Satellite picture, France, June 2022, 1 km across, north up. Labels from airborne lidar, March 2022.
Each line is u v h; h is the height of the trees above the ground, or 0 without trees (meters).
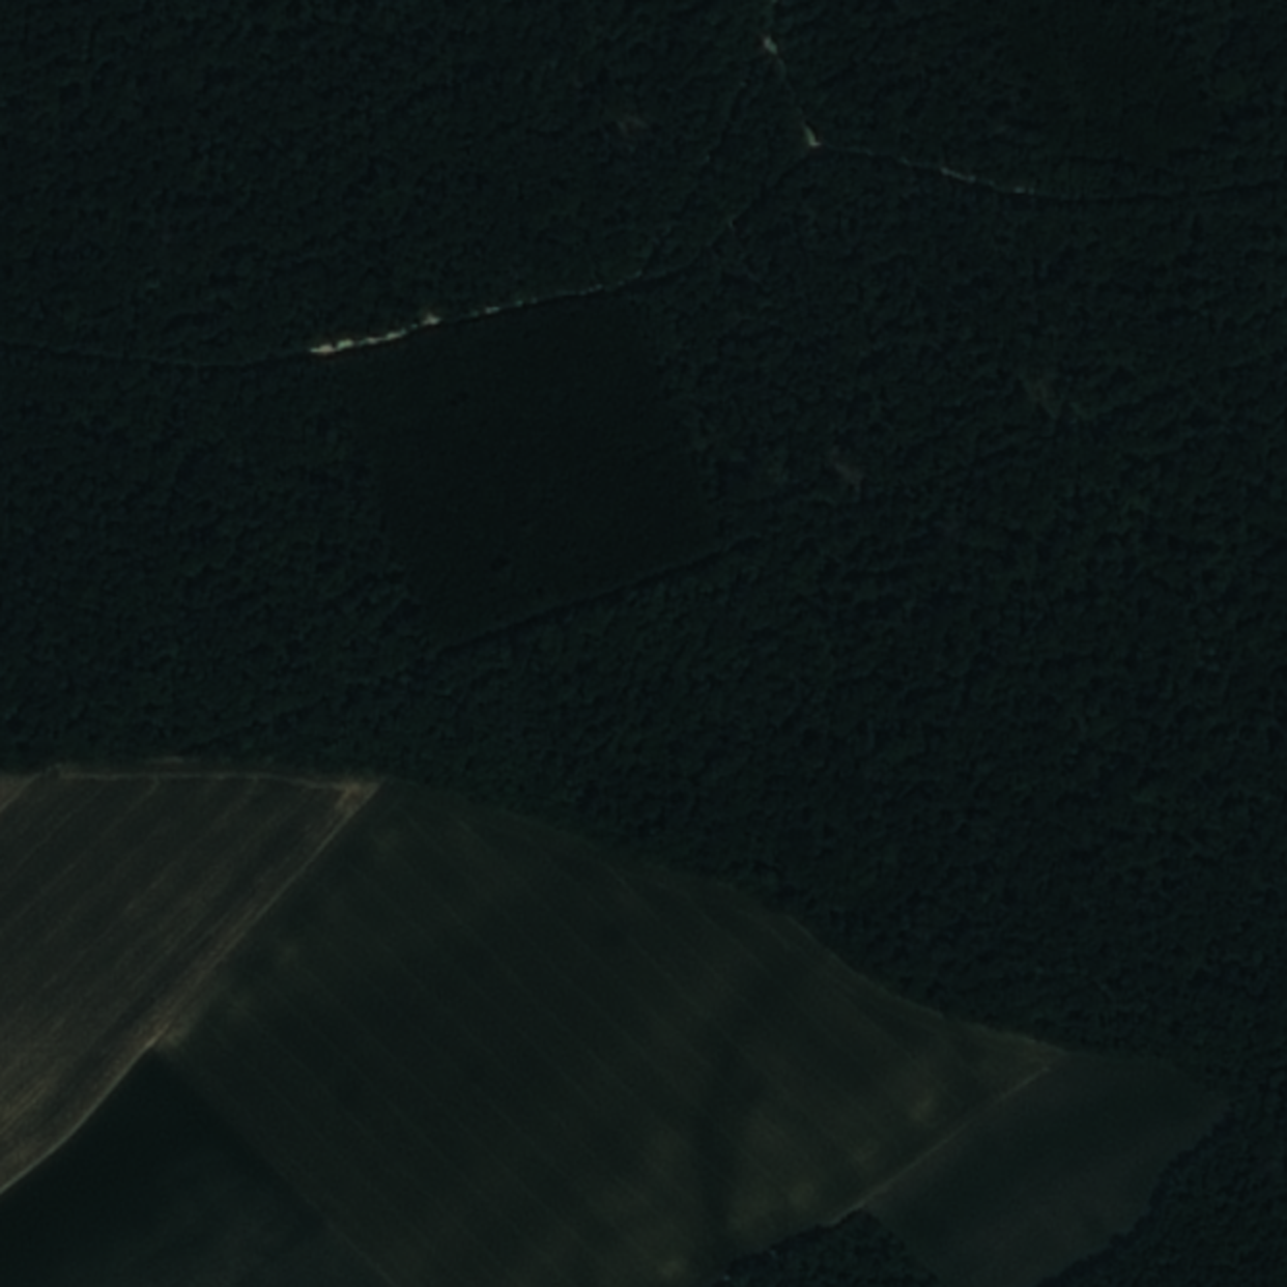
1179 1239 17
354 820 0
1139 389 17
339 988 0
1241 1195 18
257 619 26
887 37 19
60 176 22
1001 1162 0
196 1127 0
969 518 25
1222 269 20
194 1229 0
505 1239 0
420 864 0
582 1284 0
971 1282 0
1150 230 20
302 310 0
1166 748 23
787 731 25
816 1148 0
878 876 9
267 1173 0
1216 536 14
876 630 20
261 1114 0
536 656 19
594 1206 0
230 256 0
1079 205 16
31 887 0
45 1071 0
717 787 26
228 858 0
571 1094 0
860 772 22
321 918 0
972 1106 0
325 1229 0
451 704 19
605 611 18
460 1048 0
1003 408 20
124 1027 0
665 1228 0
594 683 23
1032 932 19
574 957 0
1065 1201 0
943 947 18
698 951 0
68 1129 0
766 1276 16
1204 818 17
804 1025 0
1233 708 9
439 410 0
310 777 0
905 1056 0
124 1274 0
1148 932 19
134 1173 0
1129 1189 0
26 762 14
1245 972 20
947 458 16
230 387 0
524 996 0
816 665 22
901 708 21
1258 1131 18
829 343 21
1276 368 23
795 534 19
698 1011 0
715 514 7
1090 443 19
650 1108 0
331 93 18
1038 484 20
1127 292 20
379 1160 0
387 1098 0
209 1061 0
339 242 0
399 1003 0
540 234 22
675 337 18
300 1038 0
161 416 0
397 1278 0
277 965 0
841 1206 0
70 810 0
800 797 23
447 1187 0
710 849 24
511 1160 0
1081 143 7
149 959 0
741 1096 0
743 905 0
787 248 21
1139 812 22
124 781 0
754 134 22
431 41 20
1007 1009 16
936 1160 0
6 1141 0
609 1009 0
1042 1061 0
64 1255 0
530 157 20
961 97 16
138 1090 0
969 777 21
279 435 0
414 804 0
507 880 0
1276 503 24
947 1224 0
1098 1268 15
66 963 0
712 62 20
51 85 0
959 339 18
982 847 21
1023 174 18
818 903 14
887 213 19
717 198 21
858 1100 0
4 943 0
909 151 19
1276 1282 19
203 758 11
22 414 20
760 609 22
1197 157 20
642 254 17
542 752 14
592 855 0
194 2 0
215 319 16
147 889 0
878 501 21
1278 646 14
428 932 0
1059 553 21
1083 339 23
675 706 24
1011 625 23
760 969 0
